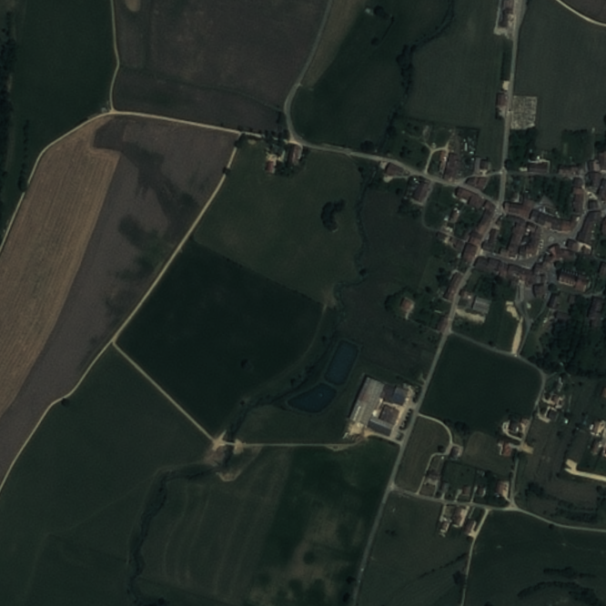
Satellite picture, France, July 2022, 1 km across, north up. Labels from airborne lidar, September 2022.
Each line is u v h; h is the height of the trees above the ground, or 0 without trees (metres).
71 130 0
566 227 0
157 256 0
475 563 0
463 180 0
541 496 15
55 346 0
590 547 0
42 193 0
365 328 0
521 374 0
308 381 6
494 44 0
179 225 0
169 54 0
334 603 0
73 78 0
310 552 0
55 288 0
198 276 0
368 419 0
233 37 0
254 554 0
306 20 0
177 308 0
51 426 0
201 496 0
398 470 0
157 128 0
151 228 0
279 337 0
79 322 0
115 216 0
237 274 0
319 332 0
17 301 0
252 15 0
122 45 0
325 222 11
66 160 0
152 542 0
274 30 0
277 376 0
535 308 0
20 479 0
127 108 0
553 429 0
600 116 0
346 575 0
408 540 0
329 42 0
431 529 0
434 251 0
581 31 0
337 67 0
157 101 0
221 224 0
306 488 0
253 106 0
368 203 0
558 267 12
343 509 0
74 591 0
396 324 0
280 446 0
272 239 0
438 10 0
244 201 0
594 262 8
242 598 0
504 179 0
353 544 0
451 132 0
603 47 0
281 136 15
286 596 0
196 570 0
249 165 0
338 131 0
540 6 0
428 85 0
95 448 0
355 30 0
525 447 0
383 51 0
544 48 0
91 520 0
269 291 0
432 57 0
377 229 0
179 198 0
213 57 0
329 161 0
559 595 0
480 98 0
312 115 0
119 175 0
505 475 0
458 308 0
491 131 0
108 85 0
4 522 0
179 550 0
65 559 0
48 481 0
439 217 0
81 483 0
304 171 0
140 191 0
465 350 0
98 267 0
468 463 0
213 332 0
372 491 0
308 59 0
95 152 0
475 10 0
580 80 0
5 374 0
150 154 0
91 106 0
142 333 0
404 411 0
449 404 0
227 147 0
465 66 0
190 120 0
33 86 0
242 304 0
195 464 0
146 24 0
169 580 0
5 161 7
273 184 0
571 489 0
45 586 0
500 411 0
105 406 0
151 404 0
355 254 0
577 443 0
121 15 0
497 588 0
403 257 0
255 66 0
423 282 0
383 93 0
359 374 0
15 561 0
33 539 0
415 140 0
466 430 17
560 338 15
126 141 0
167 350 0
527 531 0
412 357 0
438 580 0
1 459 0
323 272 0
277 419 0
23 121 0
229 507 0
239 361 0
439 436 0
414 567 0
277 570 0
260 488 0
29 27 0
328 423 0
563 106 0
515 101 0
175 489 0
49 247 0
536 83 0
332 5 0
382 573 0
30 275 0
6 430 0
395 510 0
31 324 0
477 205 0
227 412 0
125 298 0
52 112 0
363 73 0
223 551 0
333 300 0
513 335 0
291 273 0
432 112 0
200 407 0
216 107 0
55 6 0
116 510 0
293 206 0
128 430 0
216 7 0
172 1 0
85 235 0
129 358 0
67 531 0
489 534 0
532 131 13
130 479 0
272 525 0
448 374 0
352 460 0
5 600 0
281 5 0
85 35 0
